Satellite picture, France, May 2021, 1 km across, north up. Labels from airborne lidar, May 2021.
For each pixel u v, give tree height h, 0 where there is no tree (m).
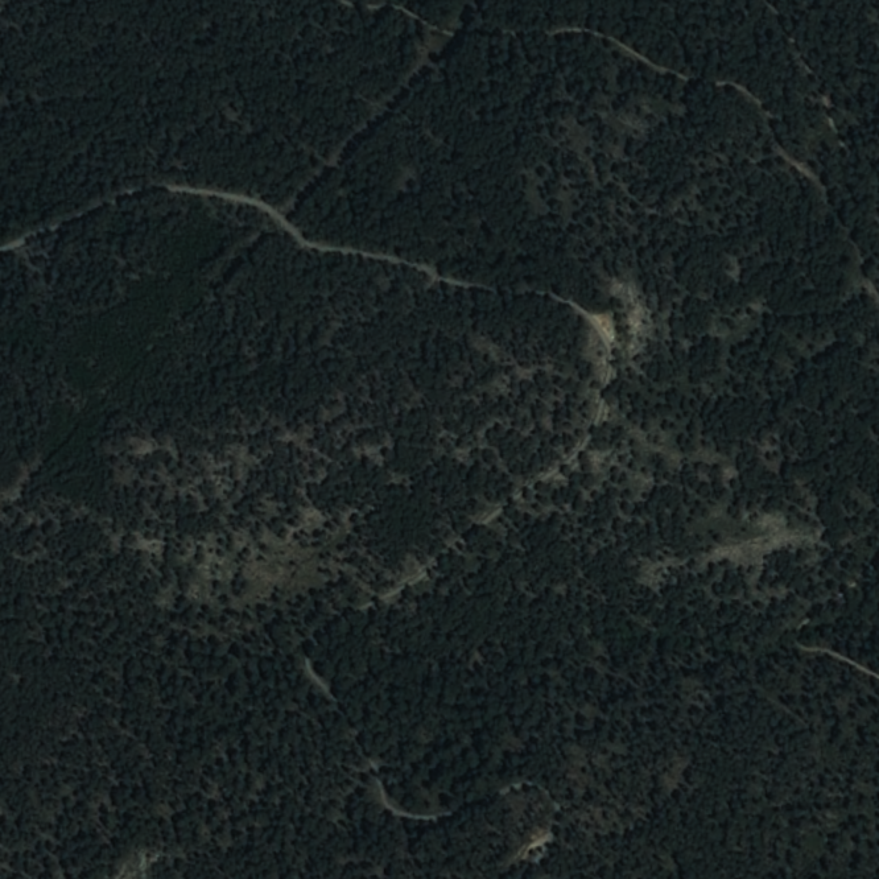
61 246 20
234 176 23
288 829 33
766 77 30
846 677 29
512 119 23
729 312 18
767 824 38
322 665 36
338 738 32
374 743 33
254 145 32
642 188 26
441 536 27
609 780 27
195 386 21
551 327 19
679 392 20
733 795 22
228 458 8
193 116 24
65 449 14
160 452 9
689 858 41
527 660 33
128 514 20
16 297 21
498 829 26
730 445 17
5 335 15
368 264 20
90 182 20
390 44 23
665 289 23
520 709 35
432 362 25
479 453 17
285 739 25
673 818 36
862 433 32
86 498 11
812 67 33
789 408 30
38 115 26
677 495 25
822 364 32
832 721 30
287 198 20
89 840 30
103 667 29
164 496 23
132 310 13
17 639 31
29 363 23
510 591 21
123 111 19
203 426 17
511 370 16
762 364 23
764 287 24
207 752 35
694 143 22
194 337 13
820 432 31
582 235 23
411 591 15
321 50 22
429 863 29
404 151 22
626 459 12
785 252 26
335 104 24
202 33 33
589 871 32
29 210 21
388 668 36
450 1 38
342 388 22
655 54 33
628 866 31
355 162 31
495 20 30
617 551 22
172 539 15
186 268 12
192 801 30
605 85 20
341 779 32
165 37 29
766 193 31
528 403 21
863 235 33
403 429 22
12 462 23
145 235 23
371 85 29
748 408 25
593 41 27
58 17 23
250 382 23
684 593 28
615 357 9
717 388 11
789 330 30
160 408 23
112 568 28
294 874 33
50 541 14
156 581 19
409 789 37
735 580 25
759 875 38
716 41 36
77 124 23
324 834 34
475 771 22
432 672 38
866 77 33
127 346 14
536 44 26
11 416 24
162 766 34
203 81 33
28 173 30
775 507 22
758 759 31
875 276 26
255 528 11
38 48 20
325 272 26
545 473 14
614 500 26
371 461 26
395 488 23
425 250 28
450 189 21
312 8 26
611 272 20
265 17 19
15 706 27
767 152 10
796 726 28
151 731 30
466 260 29
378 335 26
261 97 31
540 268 32
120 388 11
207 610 26
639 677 29
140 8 24
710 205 27
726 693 35
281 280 29
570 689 10
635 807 31
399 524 26
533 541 26
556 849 30
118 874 7
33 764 31
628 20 30
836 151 36
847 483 30
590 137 0
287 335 16
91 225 22
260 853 33
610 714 34
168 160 22
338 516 25
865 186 34
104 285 23
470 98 23
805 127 32
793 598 19
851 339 26
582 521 16
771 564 15
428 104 23
